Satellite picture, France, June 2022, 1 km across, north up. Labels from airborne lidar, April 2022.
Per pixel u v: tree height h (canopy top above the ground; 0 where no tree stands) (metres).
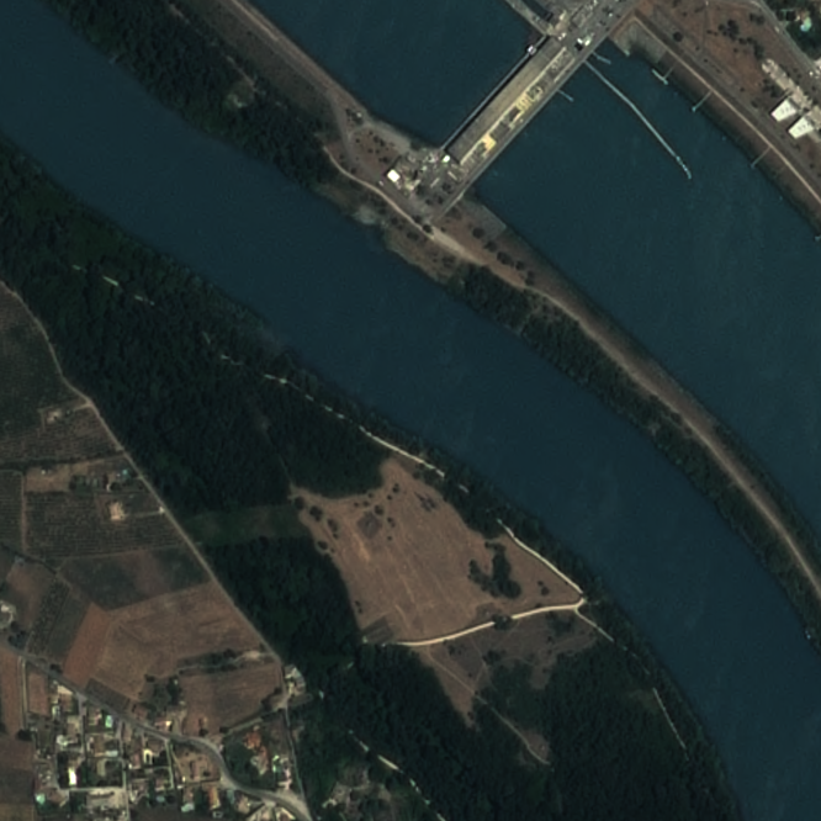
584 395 0
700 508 0
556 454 0
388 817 0
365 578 0
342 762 6
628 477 0
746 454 11
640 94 0
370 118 0
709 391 0
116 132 0
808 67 0
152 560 0
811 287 0
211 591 0
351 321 0
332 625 20
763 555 8
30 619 0
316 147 16
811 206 0
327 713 9
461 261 0
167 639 0
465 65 0
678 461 9
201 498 6
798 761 0
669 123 0
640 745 10
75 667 0
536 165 0
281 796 0
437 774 27
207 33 17
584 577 9
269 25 0
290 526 0
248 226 0
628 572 0
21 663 0
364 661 30
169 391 20
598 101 0
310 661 7
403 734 32
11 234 19
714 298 0
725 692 0
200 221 0
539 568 0
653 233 0
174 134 0
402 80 0
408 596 0
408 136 0
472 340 0
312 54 0
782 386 0
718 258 0
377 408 0
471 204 0
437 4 0
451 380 0
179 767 0
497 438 0
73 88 0
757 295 0
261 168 0
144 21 30
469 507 13
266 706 7
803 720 0
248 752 0
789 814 0
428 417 0
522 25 0
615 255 0
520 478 0
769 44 0
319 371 0
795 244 0
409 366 0
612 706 17
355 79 0
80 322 15
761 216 0
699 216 0
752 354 0
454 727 24
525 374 0
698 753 14
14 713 0
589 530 0
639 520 0
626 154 0
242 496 15
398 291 0
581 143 0
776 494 7
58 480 0
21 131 0
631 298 0
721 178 0
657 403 6
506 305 16
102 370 12
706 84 0
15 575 0
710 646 0
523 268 14
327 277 0
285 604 12
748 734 0
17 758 0
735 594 0
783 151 0
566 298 0
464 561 0
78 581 0
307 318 0
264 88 9
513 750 9
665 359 0
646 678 21
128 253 10
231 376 10
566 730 16
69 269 14
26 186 18
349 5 0
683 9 0
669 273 0
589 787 15
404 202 0
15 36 0
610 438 0
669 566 0
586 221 0
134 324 20
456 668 0
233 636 0
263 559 15
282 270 0
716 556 0
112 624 0
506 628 10
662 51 0
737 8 0
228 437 20
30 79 0
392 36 0
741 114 0
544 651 0
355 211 0
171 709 0
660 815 19
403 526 0
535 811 7
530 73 0
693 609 0
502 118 0
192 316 28
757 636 0
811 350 0
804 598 8
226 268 0
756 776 0
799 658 0
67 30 0
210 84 29
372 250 0
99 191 0
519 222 0
